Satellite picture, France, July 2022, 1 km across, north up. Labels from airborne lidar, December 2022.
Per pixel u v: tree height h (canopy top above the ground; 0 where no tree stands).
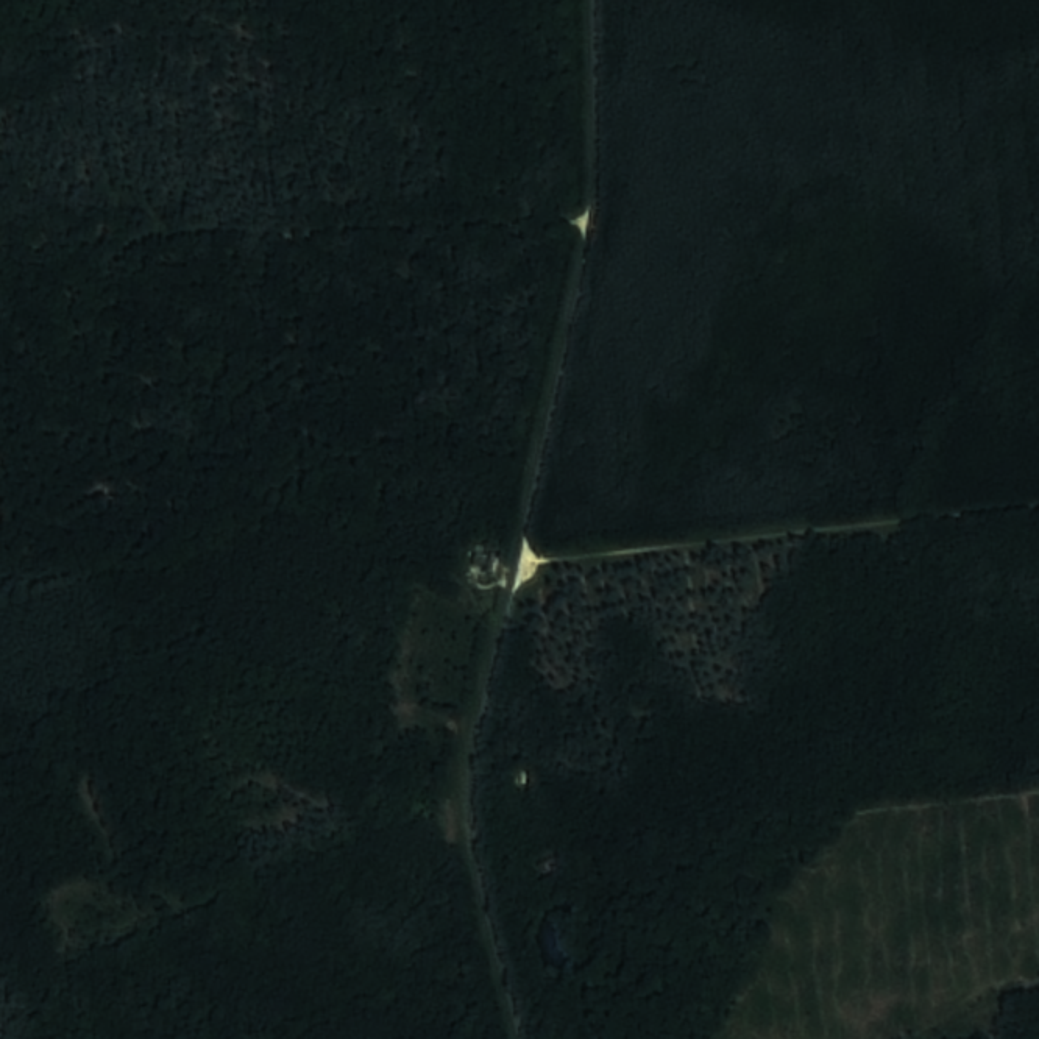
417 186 23
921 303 16
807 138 10
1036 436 11
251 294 18
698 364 8
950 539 14
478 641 9
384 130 21
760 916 23
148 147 26
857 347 8
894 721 22
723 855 21
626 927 27
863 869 0
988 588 20
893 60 12
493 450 24
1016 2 15
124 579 18
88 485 30
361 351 22
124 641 22
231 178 20
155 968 15
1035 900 0
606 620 27
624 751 22
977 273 11
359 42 25
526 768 23
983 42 9
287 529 20
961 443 15
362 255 25
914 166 10
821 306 9
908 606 20
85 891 0
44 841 20
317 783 23
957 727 20
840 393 10
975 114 12
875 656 20
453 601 23
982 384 15
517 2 27
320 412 29
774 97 11
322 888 18
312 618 16
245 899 14
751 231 11
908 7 16
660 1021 27
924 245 10
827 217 6
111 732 25
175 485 25
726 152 12
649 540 9
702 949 26
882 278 8
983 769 19
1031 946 0
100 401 25
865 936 0
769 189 7
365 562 12
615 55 7
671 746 23
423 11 27
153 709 22
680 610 26
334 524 27
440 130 26
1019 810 0
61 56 22
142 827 24
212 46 22
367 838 16
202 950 18
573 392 9
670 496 9
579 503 9
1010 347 16
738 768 24
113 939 11
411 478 19
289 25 22
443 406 25
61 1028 12
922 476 20
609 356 8
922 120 11
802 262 5
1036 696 22
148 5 19
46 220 21
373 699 20
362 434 31
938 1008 0
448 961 15
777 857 24
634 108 11
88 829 8
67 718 21
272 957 17
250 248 25
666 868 29
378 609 12
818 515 16
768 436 14
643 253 10
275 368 24
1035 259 8
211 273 25
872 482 13
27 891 15
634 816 25
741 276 7
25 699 13
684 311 10
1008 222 11
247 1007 26
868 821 0
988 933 0
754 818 21
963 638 19
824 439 7
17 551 30
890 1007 0
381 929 16
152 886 21
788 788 18
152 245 22
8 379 27
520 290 25
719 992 22
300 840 27
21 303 19
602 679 27
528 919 24
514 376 24
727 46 10
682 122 12
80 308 19
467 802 0
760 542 0
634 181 14
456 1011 18
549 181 22
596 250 12
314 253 22
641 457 10
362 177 21
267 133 19
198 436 19
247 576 15
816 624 12
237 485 27
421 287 21
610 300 11
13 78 19
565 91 25
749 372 6
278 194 21
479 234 24
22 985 11
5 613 15
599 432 11
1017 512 17
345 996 15
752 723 19
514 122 25
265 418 22
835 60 14
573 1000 22
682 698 22
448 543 18
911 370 16
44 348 27
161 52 22
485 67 27
